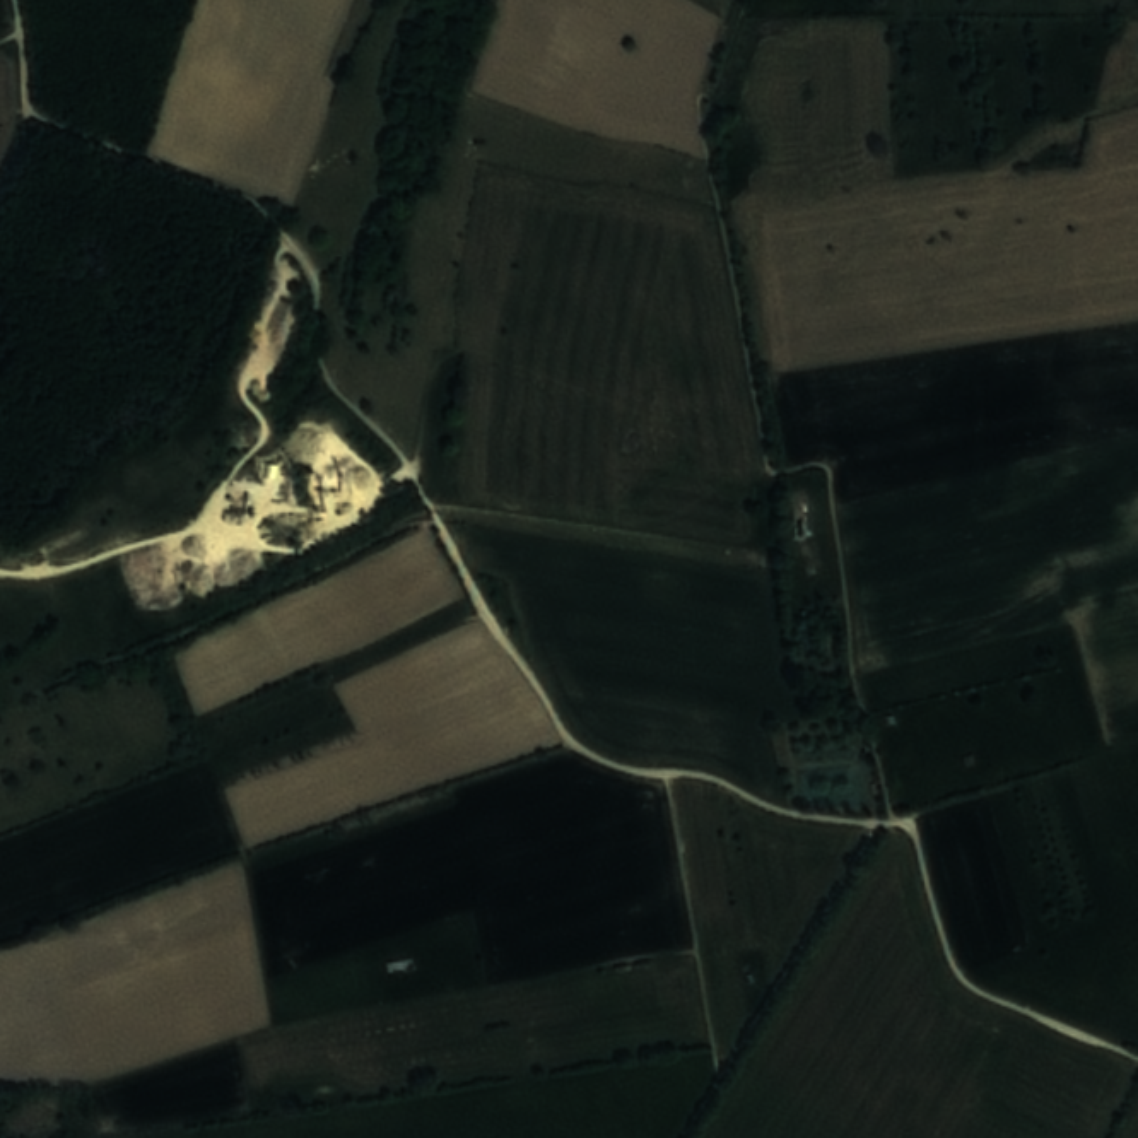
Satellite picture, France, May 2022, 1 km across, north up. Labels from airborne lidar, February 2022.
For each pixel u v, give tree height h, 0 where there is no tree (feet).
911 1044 0
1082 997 0
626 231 0
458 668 0
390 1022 0
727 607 0
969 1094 0
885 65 0
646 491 0
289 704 0
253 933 0
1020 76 0
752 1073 0
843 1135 0
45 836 0
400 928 0
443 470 0
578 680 0
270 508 0
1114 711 0
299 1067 0
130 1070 0
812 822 0
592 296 0
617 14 0
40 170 75
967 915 0
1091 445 0
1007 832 0
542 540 0
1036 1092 0
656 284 0
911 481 0
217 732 0
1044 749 0
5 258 77
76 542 0
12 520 37
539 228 0
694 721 0
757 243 0
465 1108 0
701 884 0
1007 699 0
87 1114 35
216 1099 0
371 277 46
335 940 0
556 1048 0
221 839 0
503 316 0
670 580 0
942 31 0
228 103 0
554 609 0
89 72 42
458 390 61
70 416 72
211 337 37
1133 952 0
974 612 0
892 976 0
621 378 0
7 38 0
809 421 0
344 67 45
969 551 0
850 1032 0
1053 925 27
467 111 0
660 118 0
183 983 0
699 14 0
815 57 0
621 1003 0
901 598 0
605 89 0
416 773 0
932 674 0
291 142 0
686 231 0
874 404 0
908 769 0
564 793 0
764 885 0
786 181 0
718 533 0
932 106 0
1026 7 0
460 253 0
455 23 80
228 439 25
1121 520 0
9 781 43
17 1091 52
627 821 0
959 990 0
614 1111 0
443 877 0
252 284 51
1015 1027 0
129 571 0
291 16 0
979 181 0
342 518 0
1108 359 0
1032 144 0
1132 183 0
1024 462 0
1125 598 0
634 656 0
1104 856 0
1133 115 0
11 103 0
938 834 0
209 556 0
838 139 0
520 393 0
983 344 0
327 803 0
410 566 0
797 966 51
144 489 0
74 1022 0
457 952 0
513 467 0
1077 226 0
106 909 25
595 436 0
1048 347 0
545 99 0
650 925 0
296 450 0
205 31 0
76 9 37
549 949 0
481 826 0
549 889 0
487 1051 0
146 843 0
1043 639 0
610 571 0
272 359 0
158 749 0
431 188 49
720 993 0
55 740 0
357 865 0
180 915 0
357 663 0
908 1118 0
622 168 0
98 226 78
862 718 55
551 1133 0
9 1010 0
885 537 0
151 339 63
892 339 0
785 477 25
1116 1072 0
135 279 65
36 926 42
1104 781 0
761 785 0
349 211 0
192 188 57
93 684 47
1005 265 0
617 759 0
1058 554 0
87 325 76
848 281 0
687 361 0
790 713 0
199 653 0
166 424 51
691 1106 0
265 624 0
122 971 0
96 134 34
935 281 0
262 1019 0
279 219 43
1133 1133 0
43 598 0
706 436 0
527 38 0
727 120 65
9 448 68
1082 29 0
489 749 0
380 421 0
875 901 0
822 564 0
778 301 0
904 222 0
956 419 0
